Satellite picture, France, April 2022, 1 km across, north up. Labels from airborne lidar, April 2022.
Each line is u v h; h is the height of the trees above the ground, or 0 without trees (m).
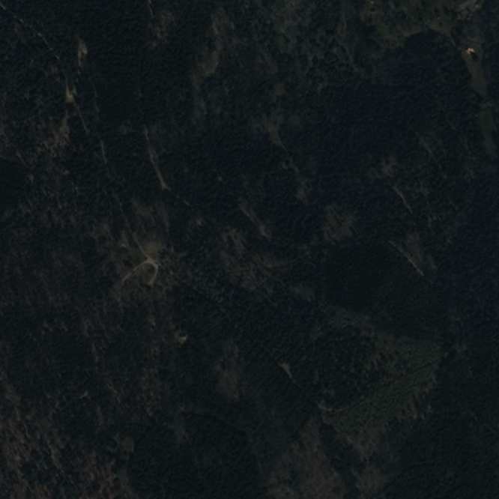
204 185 23
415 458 29
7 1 27
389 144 27
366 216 31
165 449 27
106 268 19
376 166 27
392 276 14
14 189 16
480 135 31
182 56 21
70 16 27
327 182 24
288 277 10
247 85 30
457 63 30
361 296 15
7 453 28
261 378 19
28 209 18
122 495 33
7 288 23
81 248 22
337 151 33
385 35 0
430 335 15
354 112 27
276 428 18
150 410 23
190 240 9
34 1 24
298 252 19
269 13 20
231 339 15
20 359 23
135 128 28
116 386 24
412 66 30
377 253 16
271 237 21
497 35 24
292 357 19
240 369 18
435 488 30
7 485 25
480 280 26
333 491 12
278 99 18
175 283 12
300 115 22
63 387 26
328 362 20
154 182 23
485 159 35
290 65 22
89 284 23
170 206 20
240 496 27
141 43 23
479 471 20
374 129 26
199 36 25
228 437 21
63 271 21
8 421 26
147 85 22
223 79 21
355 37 24
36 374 22
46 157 17
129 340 25
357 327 12
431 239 32
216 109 25
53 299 20
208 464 18
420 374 14
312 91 16
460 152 32
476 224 25
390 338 16
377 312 14
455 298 28
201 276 26
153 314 22
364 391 20
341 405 21
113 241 20
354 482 22
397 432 22
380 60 12
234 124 23
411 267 14
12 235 20
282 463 17
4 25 35
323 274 15
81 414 26
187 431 26
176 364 18
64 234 24
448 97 25
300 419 19
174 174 21
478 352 20
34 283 22
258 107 23
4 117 24
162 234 24
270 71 22
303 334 16
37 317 17
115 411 25
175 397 29
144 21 24
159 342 23
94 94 22
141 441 28
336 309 15
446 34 0
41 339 25
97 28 23
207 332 14
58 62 16
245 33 25
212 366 19
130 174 24
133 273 11
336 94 13
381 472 24
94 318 24
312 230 26
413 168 28
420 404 18
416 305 15
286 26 20
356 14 20
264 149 28
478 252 28
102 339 23
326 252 17
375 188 26
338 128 32
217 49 13
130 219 16
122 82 21
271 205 28
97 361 19
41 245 22
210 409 24
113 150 24
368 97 24
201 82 22
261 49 21
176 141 24
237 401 18
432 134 30
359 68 22
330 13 23
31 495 27
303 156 24
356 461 23
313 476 13
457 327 21
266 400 22
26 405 31
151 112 22
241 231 19
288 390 20
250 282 10
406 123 24
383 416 17
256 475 31
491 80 21
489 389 19
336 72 16
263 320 22
